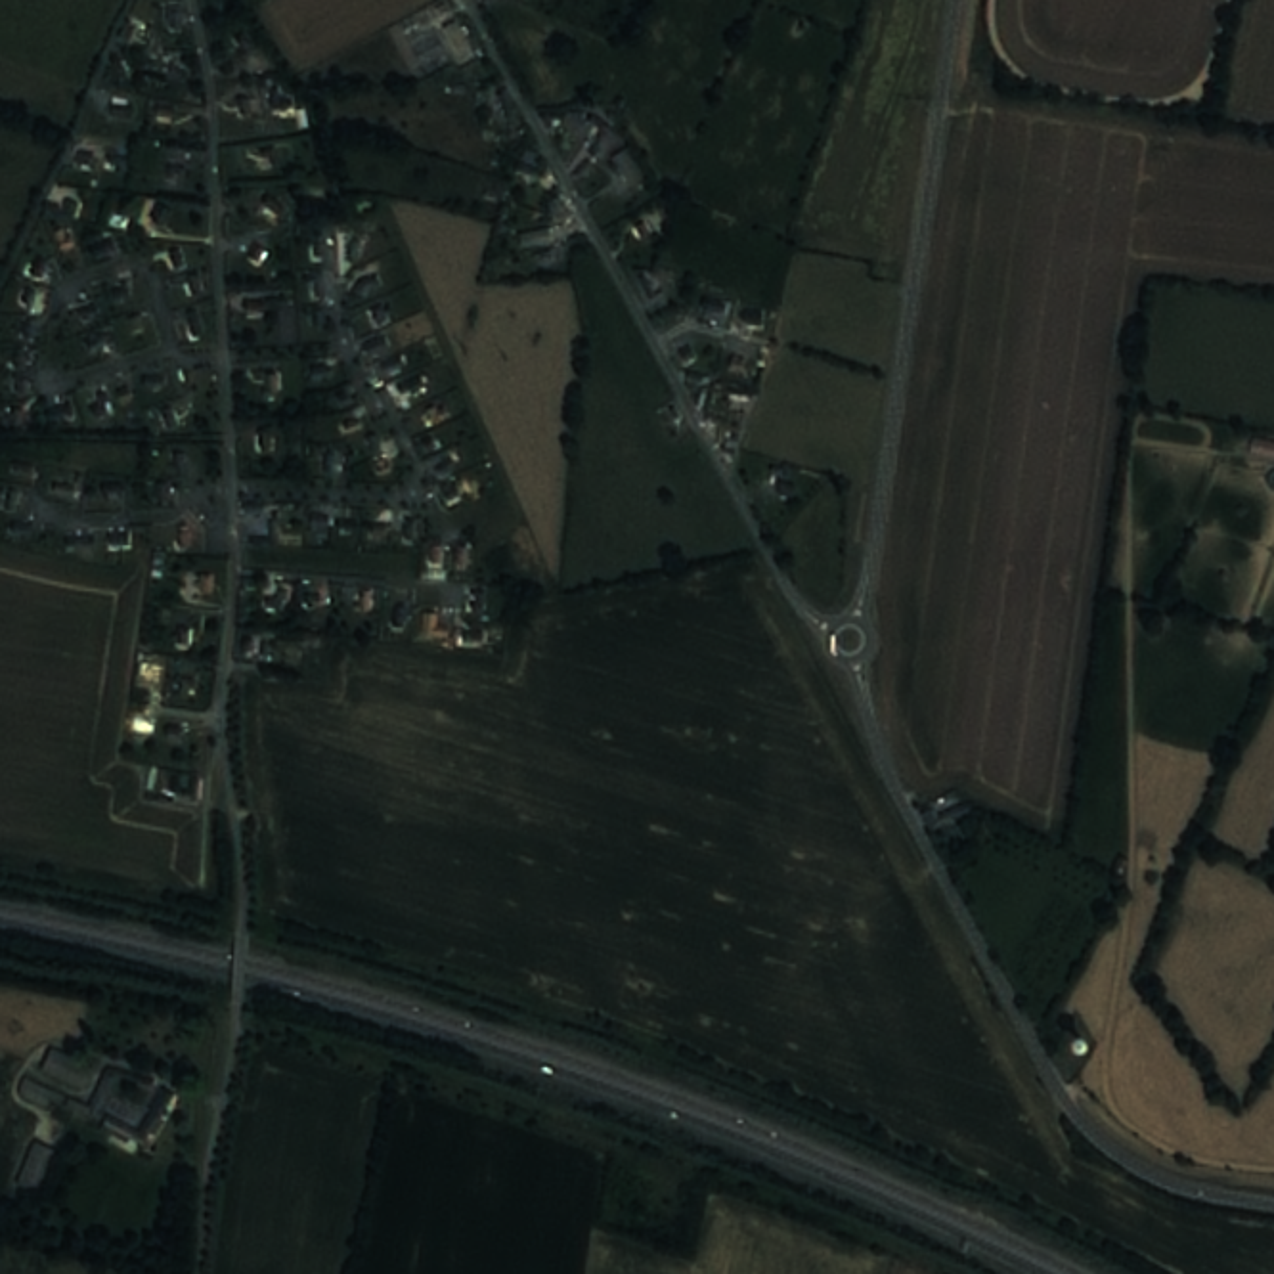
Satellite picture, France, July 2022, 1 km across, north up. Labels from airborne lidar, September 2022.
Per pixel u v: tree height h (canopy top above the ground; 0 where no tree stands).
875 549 0
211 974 0
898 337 0
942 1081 0
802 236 0
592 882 0
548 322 0
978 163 0
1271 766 0
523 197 9
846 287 0
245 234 0
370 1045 10
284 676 12
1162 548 0
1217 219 0
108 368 0
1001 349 0
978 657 0
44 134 19
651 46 0
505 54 9
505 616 8
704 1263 0
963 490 0
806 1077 0
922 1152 8
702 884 0
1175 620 20
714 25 0
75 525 0
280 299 6
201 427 11
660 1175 0
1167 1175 0
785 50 0
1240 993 0
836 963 0
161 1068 14
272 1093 0
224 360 0
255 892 8
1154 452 0
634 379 0
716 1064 6
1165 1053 0
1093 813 0
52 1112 0
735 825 0
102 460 0
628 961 0
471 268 0
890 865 0
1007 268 0
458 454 0
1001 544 0
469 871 0
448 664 0
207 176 0
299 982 0
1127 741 0
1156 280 8
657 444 0
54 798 0
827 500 0
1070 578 0
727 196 0
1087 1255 9
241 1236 0
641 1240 9
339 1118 0
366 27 0
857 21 7
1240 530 0
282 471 8
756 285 0
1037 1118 0
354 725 0
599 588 12
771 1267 0
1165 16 0
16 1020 0
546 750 0
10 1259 0
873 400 0
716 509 0
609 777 0
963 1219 0
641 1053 8
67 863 0
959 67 0
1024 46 0
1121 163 0
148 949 0
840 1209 13
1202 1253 0
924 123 0
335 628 13
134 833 0
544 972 0
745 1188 10
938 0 0
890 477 0
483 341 0
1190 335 0
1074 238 0
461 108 0
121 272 0
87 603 0
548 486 0
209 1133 0
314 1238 0
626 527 0
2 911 0
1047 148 0
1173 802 0
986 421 0
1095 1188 0
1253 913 0
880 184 0
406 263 0
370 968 11
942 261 0
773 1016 0
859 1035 0
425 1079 7
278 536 0
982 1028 0
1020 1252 0
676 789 0
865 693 0
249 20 6
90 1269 24
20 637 0
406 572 0
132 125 0
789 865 0
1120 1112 0
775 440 0
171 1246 16
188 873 0
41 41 0
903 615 0
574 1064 0
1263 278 0
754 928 0
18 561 0
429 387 0
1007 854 7
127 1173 0
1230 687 0
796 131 0
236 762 8
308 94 8
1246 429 10
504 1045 0
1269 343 0
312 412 5
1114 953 0
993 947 8
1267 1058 9
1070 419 0
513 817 0
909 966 0
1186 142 0
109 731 0
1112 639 0
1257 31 0
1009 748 0
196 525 0
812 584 0
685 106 0
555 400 0
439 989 11
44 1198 17
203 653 7
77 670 0
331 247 0
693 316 0
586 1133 0
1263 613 0
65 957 9
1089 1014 0
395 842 0
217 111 0
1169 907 6
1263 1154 0
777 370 0
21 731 0
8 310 0
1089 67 0
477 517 0
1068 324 0
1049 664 0
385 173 0
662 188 6
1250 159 0
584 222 0
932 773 0
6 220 0
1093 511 0
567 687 0
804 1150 0
